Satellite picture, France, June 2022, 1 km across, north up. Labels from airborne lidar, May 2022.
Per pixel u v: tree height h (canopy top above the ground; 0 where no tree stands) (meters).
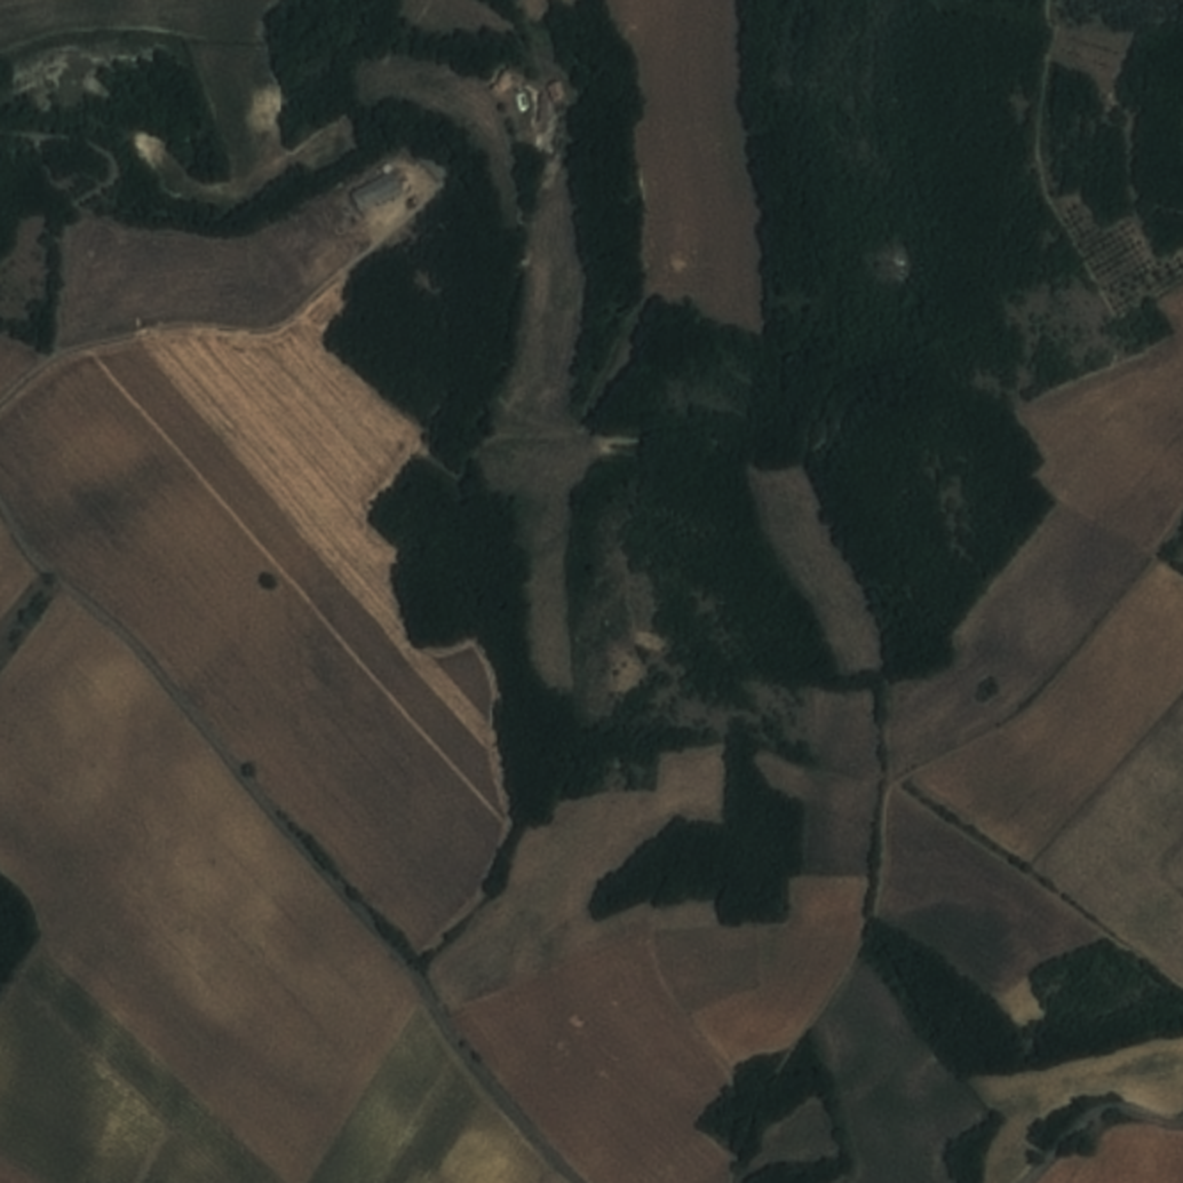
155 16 0
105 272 0
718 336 14
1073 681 0
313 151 0
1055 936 0
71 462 0
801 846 13
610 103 22
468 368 14
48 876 0
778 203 20
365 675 0
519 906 0
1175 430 0
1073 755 0
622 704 6
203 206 15
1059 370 8
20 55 0
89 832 0
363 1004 0
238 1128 0
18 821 0
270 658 0
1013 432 8
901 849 0
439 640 9
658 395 9
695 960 0
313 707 0
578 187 17
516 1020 0
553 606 0
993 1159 0
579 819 0
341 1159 0
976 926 0
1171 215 14
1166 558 7
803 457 12
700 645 8
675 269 0
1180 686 0
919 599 7
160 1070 0
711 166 0
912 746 0
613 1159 0
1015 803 0
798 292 13
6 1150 0
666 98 0
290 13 7
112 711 0
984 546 10
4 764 0
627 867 12
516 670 11
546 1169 0
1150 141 13
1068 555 0
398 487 9
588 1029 0
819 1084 18
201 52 0
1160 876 0
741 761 12
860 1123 0
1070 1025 10
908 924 0
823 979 0
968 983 9
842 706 0
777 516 0
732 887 14
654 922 0
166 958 0
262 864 0
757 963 0
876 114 6
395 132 15
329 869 11
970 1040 14
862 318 8
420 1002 0
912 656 10
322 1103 0
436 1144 0
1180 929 0
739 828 11
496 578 23
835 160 6
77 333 0
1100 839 0
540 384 0
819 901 0
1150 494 0
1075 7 9
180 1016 0
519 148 13
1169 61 14
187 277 0
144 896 0
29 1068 0
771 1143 0
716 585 8
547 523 0
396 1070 0
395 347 10
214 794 0
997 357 8
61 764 0
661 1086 0
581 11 18
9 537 0
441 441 13
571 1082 0
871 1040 0
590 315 16
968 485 8
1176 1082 0
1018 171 7
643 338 20
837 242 13
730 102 0
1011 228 6
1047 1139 6
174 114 13
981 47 12
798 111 9
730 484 13
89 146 9
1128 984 5
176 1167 0
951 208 15
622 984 0
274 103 0
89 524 0
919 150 11
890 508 10
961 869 0
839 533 12
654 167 0
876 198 8
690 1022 0
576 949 0
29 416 0
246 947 0
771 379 7
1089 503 0
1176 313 0
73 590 0
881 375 9
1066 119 10
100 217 7
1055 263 9
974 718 0
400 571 13
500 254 17
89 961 0
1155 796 0
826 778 0
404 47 13
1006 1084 0
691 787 0
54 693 0
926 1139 0
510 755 13
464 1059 0
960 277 13
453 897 0
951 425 7
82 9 0
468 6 0
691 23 0
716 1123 11
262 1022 0
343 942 0
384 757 0
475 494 21
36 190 12
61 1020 0
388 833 0
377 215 0
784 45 8
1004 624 0
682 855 13
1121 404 0
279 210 14
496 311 19
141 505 0
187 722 0
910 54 8
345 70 12
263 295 0
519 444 0
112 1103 0
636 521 7
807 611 10
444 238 11
